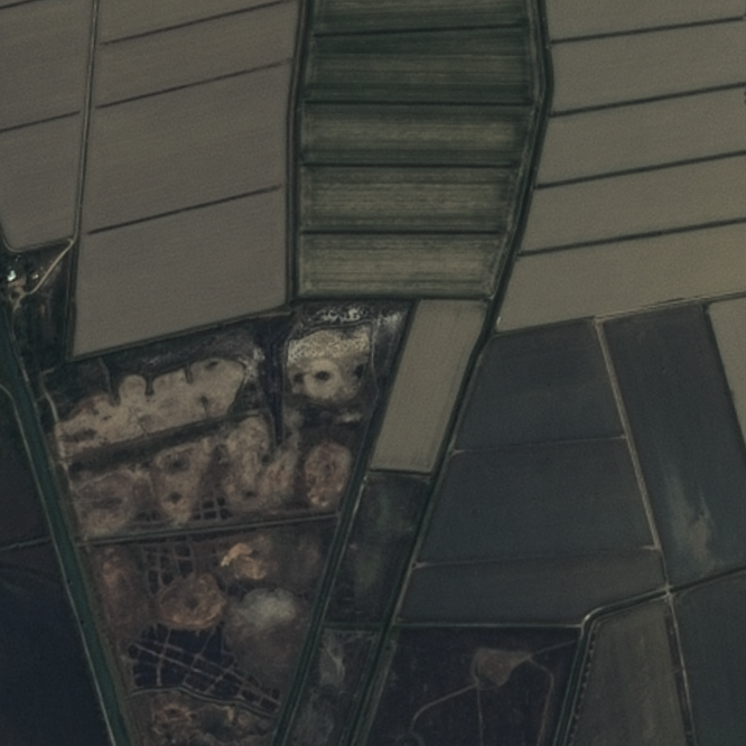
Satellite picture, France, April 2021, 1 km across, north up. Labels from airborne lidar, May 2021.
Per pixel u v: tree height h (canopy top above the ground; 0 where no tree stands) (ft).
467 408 0
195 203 0
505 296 0
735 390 0
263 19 0
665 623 0
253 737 0
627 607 0
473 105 0
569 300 0
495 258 0
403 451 0
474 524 0
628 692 0
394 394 0
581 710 0
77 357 0
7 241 0
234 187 0
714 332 0
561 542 0
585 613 0
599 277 0
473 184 0
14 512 0
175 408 0
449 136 0
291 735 0
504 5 0
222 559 0
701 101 0
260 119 0
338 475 0
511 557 0
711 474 0
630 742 0
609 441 0
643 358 0
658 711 0
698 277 0
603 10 0
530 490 0
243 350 0
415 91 0
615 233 0
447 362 0
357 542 0
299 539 0
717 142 0
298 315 0
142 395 0
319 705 0
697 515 0
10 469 0
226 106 0
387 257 0
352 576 0
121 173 0
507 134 0
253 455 0
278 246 0
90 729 0
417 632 0
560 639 0
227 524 0
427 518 0
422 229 0
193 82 0
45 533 17
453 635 0
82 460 0
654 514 0
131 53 0
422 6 0
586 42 0
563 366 0
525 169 0
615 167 0
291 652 0
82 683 0
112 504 0
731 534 0
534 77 0
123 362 0
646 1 0
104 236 0
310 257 0
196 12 0
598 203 0
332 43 0
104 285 0
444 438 0
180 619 0
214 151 0
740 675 0
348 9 0
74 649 0
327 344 0
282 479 0
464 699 0
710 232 0
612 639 0
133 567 0
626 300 0
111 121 0
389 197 0
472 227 0
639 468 0
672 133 0
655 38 0
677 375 0
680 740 0
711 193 0
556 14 0
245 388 0
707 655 0
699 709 0
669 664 0
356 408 0
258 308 0
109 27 0
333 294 0
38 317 0
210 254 0
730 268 0
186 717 0
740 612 0
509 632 0
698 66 0
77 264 0
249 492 0
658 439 0
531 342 0
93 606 0
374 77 0
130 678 0
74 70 0
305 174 0
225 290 0
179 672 0
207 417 0
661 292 0
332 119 0
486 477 0
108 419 0
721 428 0
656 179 0
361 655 0
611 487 0
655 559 0
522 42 0
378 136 0
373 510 0
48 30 0
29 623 0
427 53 0
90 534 0
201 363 0
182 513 0
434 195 0
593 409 0
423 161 0
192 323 0
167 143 0
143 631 0
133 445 0
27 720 0
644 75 0
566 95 0
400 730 0
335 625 0
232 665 0
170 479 0
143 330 0
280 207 0
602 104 0
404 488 0
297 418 0
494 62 0
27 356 25
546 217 0
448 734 0
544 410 0
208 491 0
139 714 0
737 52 0
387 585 0
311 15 0
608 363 0
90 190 0
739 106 0
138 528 0
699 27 0
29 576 0
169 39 0
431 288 0
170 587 0
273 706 0
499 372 0
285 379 0
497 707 0
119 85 0
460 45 0
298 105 0
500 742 0
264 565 0
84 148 0
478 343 0
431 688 0
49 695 0
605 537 0
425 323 0
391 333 0
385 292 0
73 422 0
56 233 0
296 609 0
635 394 0
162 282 0
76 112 0
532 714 0
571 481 0
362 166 0
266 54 0
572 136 0
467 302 0
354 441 0
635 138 0
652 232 0
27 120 0
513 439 0
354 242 0
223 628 0
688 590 0
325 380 0
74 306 0
